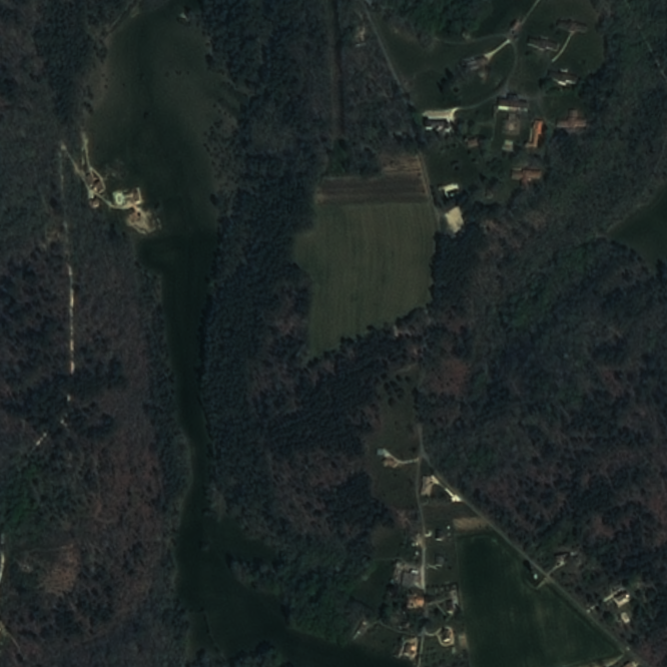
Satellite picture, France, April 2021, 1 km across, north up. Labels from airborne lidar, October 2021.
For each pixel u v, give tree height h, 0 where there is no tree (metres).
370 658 0
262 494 24
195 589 0
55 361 14
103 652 16
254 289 19
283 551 17
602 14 21
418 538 0
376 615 15
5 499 14
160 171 0
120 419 10
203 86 0
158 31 0
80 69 22
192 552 0
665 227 0
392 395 12
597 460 22
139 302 15
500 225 22
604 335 12
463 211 23
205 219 0
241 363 20
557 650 0
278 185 15
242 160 7
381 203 0
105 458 8
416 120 21
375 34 14
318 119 19
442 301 23
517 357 16
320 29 22
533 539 8
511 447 12
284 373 10
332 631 28
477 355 7
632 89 22
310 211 17
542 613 0
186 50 0
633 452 25
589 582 11
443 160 0
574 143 21
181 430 14
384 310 0
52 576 0
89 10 18
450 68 0
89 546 14
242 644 0
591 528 13
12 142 21
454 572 0
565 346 20
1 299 9
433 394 7
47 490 14
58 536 13
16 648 6
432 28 23
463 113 0
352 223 0
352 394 17
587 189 22
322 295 0
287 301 10
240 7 21
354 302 0
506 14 0
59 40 22
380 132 14
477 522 0
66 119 25
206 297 0
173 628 18
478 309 21
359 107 13
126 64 0
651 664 7
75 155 20
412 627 6
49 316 9
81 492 16
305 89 13
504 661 0
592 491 14
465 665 8
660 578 13
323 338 0
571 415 15
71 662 13
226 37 13
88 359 22
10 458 12
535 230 17
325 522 7
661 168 22
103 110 0
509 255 28
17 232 22
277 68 21
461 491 17
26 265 15
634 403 19
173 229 0
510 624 0
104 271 18
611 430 17
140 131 0
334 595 22
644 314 19
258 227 17
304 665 0
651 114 23
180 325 0
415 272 0
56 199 6
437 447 17
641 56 18
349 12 20
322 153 23
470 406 12
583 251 22
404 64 0
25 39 15
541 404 13
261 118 12
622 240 0
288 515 12
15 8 18
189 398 0
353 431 17
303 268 0
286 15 23
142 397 12
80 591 16
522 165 12
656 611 14
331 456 15
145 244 0
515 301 27
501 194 20
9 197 23
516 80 0
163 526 15
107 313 14
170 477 21
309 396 17
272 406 6
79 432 19
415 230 0
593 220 20
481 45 0
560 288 27
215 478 9
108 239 24
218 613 0
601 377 5
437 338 23
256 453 16
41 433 19
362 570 19
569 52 0
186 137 0
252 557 0
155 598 18
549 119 0
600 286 25
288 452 17
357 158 18
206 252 0
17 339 13
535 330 21
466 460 18
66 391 25
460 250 26
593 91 23
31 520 14
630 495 8
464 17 21
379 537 0
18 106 14
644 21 18
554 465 10
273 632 0
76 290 13
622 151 13
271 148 19
